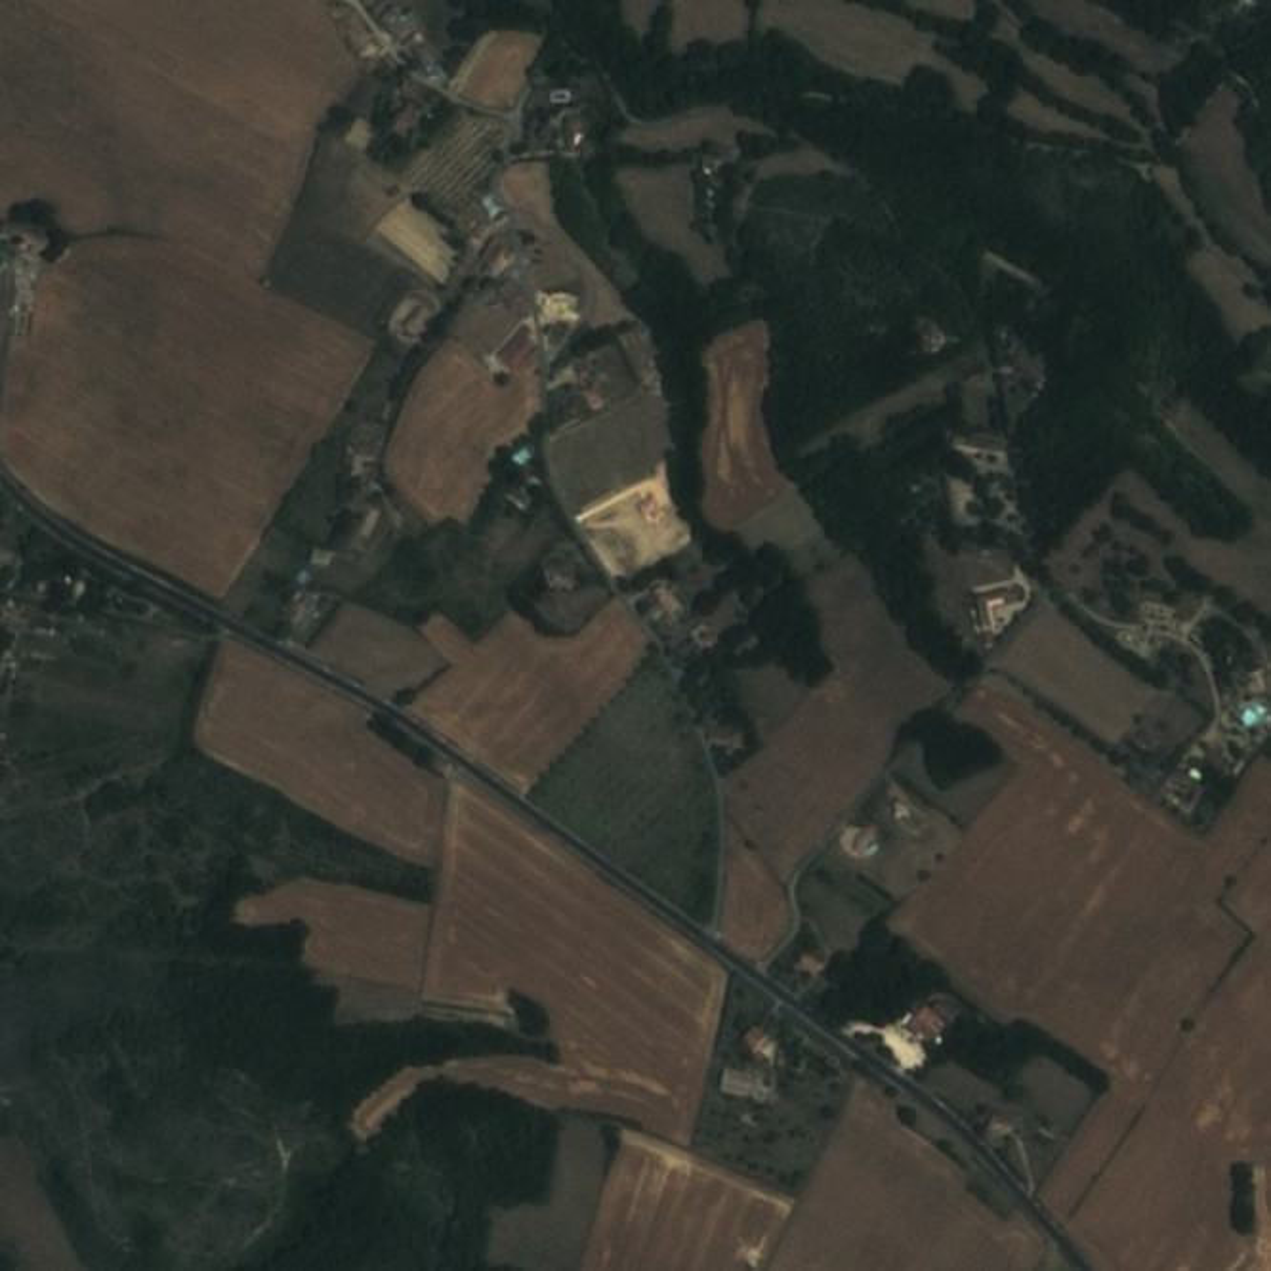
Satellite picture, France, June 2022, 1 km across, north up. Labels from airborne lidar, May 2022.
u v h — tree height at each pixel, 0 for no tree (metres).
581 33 16
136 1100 10
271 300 0
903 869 0
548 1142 10
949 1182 0
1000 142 12
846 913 0
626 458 0
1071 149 9
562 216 7
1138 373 8
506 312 0
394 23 0
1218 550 0
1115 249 8
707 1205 0
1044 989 0
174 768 6
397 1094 0
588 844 0
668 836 0
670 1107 0
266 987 7
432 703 0
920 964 17
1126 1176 0
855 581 0
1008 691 0
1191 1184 0
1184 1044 0
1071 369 14
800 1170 7
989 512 9
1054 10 0
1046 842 0
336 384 0
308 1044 9
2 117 0
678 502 12
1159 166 9
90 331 0
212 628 15
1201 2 12
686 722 8
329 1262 15
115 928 9
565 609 0
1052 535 10
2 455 0
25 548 12
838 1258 0
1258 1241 0
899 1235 0
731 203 12
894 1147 0
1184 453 12
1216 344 16
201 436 0
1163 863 0
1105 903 0
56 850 0
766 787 0
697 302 14
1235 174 0
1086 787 0
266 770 0
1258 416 21
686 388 13
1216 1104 0
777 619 13
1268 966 0
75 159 0
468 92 0
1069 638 0
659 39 20
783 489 0
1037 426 11
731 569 9
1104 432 11
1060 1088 0
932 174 14
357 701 0
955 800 0
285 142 0
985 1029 12
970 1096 0
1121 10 15
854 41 0
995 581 0
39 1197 0
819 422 15
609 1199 0
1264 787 0
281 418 0
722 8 0
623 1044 0
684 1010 0
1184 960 0
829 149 11
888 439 8
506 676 0
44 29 0
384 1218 14
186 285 0
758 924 0
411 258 0
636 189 0
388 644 0
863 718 0
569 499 0
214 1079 7
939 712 13
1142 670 10
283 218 0
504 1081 0
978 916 0
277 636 6
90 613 12
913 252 11
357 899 0
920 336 9
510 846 0
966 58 18
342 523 10
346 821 0
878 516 12
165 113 0
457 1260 14
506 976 0
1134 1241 0
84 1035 12
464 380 0
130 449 0
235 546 0
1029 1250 0
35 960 8
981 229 10
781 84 13
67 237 6
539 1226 0
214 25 0
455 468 0
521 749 0
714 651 14
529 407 0
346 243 0
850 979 15
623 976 0
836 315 7
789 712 0
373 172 0
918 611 14
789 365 12
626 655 0
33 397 0
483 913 0
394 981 0
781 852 0
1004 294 9
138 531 0
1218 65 18
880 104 12
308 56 0
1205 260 0
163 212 0
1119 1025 0
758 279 9
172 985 10
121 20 0
